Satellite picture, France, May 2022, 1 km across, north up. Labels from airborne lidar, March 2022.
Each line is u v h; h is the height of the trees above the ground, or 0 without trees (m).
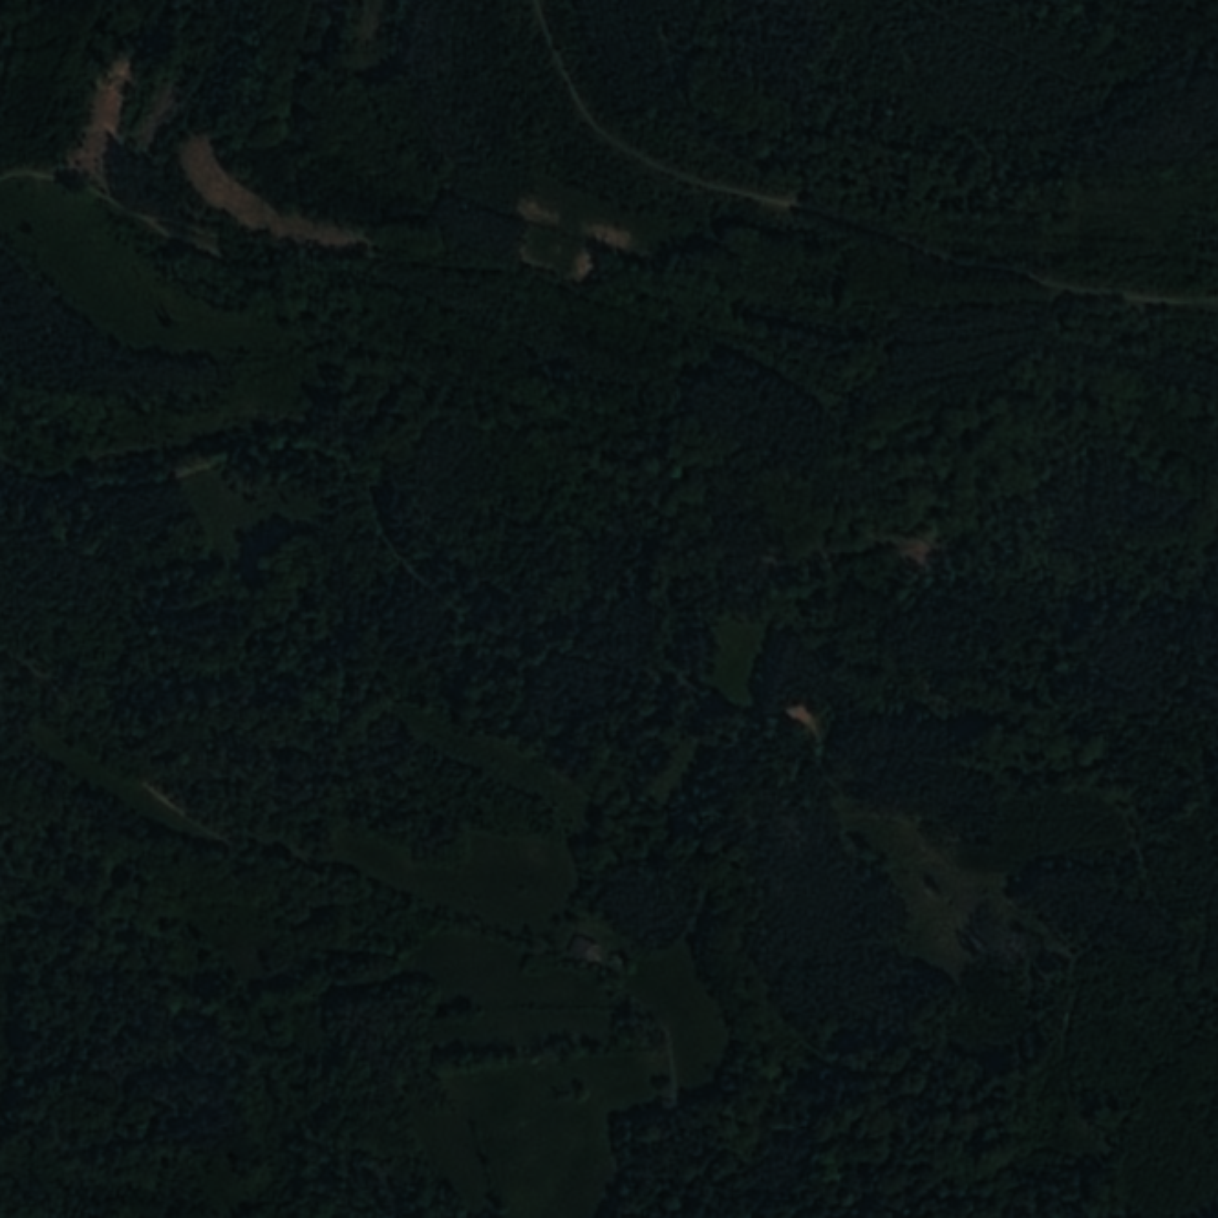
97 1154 26
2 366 15
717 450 32
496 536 15
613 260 26
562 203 0
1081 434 20
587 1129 0
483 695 25
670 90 18
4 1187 29
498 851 0
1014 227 9
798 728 12
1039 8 21
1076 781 28
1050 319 20
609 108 5
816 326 7
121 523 26
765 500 26
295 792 28
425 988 18
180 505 25
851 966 29
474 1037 0
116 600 16
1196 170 22
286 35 36
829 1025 22
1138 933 22
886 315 23
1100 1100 8
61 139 6
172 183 9
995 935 26
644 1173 22
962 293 17
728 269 31
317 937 33
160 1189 23
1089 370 35
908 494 32
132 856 29
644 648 34
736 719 26
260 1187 8
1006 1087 33
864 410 19
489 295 9
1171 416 15
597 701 28
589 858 22
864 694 30
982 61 8
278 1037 22
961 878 0
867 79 8
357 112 34
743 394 32
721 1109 27
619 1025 8
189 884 34
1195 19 11
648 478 35
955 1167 34
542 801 8
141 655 15
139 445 0
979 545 28
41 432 28
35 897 17
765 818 23
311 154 19
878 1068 28
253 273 12
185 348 0
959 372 15
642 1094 0
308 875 24
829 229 18
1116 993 7
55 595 17
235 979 18
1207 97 23
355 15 29
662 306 21
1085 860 8
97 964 21
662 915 28
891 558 12
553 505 20
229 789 21
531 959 9
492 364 13
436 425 22
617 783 13
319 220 26
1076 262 7
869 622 16
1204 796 11
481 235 24
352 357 29
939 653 20
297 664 34
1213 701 31
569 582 23
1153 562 30
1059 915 19
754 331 26
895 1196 35
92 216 0
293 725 33
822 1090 26
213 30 12
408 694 7
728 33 23
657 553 34
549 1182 0
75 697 25
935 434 25
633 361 16
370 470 25
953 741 26
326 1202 24
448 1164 0
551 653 28
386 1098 19
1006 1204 29
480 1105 0
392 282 6
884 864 24
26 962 25
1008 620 9
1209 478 29
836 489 23
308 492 15
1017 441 36
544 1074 0
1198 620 33
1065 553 29
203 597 26
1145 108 21
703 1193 31
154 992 30
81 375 29
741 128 23
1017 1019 6
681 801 10
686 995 0
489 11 8
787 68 23
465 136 7
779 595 34
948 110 6
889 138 7
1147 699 29
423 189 30
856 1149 30
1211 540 22
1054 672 20
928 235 19
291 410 0
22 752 18
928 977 27
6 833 29
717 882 25
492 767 0
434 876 0
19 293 30
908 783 26
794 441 27
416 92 22
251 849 17
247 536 0
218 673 15
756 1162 25
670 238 0
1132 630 27
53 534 28
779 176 27
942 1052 32
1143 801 7
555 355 10
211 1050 32
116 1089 26
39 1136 31
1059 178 28
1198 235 8
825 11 7
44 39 10
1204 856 12
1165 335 8
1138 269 6
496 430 19
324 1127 21
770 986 21
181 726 35
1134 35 11
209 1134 32
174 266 26
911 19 11
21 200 0
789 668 32
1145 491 32
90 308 0
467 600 27
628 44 14
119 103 0
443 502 16
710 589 32
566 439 21
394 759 34
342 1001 24
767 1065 34
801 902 31
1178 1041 8
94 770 0
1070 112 8
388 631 30
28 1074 17
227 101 18
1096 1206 29
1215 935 13
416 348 19
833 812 27
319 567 14
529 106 8
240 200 0
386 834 21
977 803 26
